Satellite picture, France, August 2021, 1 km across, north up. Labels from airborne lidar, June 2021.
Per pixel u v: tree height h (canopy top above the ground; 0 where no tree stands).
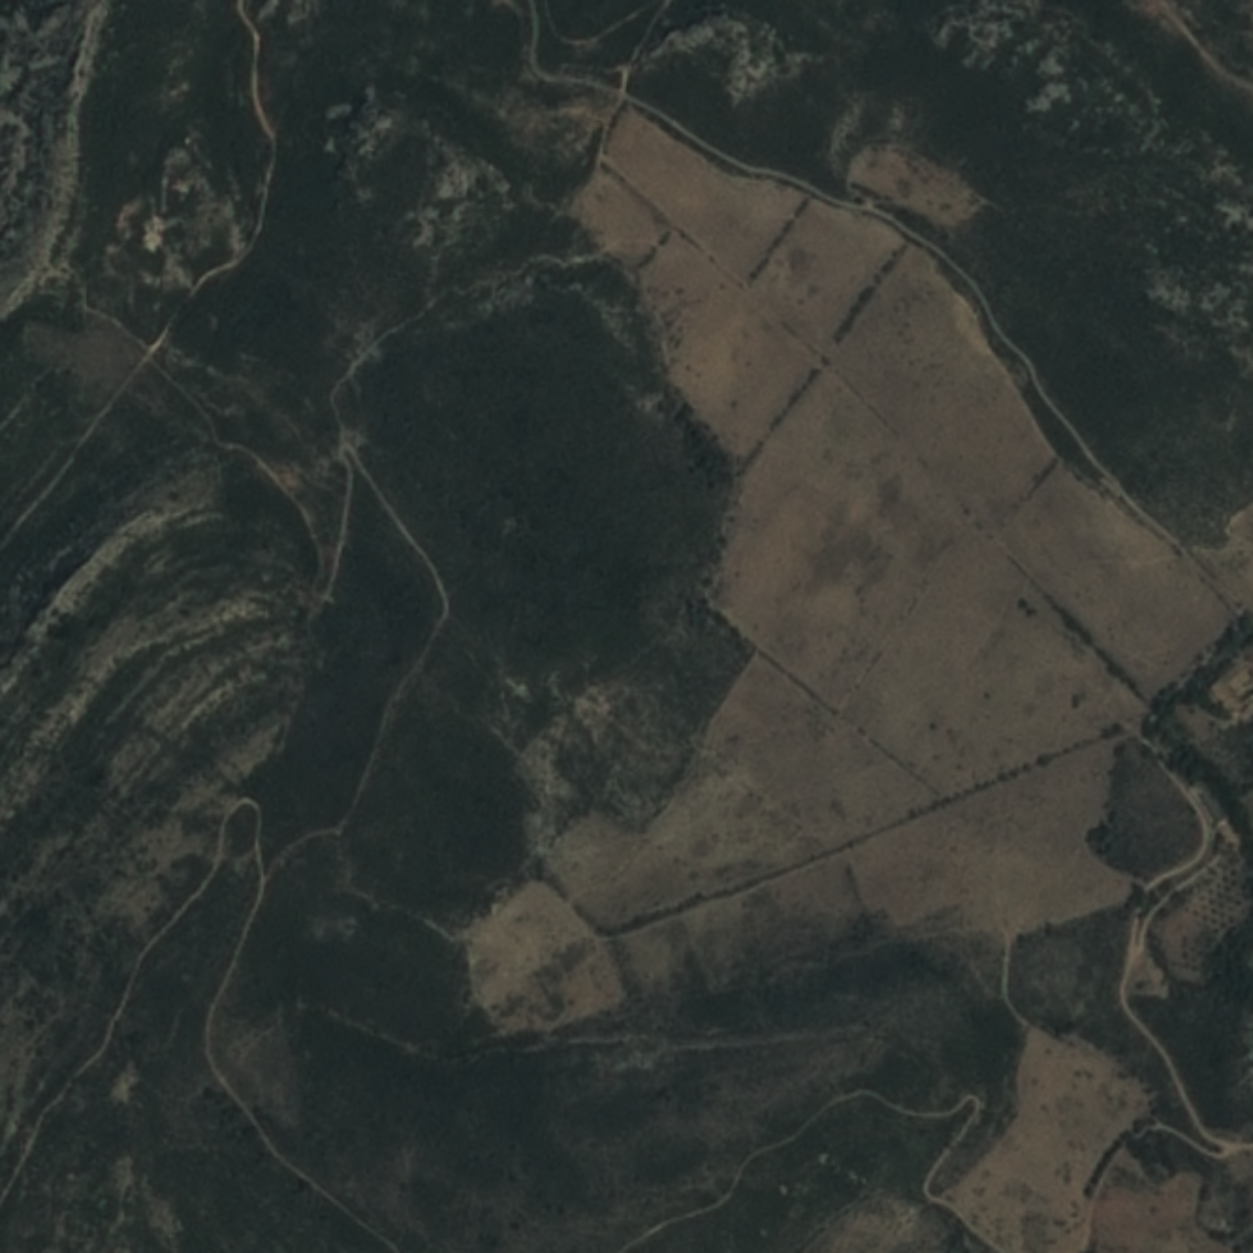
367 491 0
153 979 0
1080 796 0
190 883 0
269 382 0
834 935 0
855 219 0
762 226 0
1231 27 0
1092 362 0
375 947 0
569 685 0
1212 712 11
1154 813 0
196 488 0
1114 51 0
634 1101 0
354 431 0
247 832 0
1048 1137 0
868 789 0
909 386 0
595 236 0
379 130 0
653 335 0
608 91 0
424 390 0
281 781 0
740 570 0
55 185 0
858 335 0
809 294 0
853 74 0
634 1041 0
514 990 0
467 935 0
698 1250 0
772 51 0
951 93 0
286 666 0
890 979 0
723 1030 0
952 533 0
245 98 0
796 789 0
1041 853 0
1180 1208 0
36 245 0
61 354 0
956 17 0
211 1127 0
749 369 0
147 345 0
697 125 0
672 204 0
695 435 9
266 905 0
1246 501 0
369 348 0
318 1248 0
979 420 0
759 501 0
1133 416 0
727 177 0
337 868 0
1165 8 0
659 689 0
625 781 0
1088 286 0
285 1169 0
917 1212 0
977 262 0
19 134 0
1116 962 0
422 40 0
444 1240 0
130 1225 0
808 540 0
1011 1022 0
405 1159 0
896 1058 0
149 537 0
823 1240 0
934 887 0
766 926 0
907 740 0
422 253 0
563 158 0
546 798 0
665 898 0
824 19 0
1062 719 0
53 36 0
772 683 0
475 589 0
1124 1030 0
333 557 0
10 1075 0
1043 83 0
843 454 0
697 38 0
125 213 0
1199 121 0
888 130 0
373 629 0
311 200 0
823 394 0
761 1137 0
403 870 0
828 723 0
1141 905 11
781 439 0
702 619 9
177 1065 0
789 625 0
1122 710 0
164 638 0
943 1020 0
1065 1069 0
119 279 0
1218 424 0
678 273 0
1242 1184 0
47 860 0
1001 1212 0
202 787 0
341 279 0
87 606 0
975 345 0
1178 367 0
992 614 0
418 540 0
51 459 0
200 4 0
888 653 0
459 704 0
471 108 0
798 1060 0
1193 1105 0
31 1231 0
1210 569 0
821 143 0
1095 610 0
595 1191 0
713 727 0
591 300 0
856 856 0
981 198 0
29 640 0
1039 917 0
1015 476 0
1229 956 6
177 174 0
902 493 0
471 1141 0
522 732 0
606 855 0
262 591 0
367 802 0
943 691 0
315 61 0
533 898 0
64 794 0
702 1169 0
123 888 0
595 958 0
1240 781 6
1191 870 0
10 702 0
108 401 0
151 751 0
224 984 0
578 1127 0
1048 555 0
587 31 0
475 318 0
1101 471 0
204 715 0
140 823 0
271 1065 0
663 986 0
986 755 0
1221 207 0
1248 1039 0
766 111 0
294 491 0
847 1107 0
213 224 0
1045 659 0
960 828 0
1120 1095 0
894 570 0
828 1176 0
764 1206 0
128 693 0
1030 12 0
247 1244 0
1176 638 0
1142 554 0
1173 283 0
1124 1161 0
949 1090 0
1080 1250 0
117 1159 0
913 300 0
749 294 0
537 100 0
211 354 0
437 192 0
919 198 0
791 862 0
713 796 0
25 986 0
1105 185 0
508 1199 0
